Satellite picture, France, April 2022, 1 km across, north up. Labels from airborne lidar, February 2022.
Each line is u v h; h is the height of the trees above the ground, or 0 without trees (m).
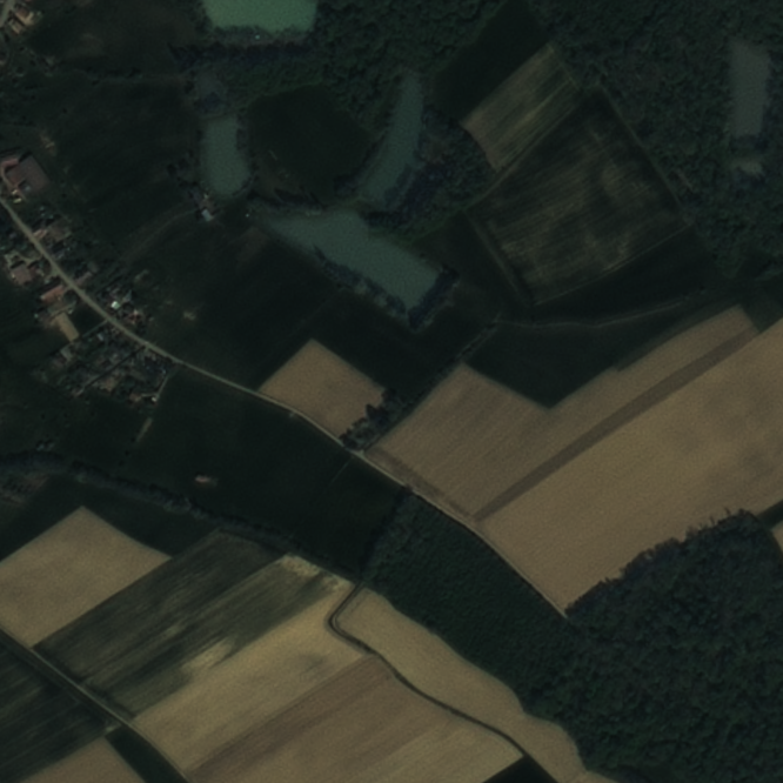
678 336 0
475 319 0
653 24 20
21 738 0
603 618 30
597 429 0
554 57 0
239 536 0
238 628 0
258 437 0
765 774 27
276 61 29
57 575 0
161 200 0
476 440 0
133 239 0
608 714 21
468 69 0
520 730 0
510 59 0
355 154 0
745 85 0
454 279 15
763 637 31
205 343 0
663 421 0
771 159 27
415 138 0
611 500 0
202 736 0
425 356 0
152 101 0
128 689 0
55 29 0
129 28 0
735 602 29
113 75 8
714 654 18
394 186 0
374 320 0
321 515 0
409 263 0
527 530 0
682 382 0
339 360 0
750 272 0
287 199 0
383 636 0
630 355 0
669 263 0
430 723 0
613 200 0
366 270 0
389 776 0
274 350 0
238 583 0
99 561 0
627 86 22
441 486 0
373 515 0
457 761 0
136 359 15
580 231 0
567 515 0
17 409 0
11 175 0
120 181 0
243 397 0
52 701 0
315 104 0
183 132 0
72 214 0
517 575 8
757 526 14
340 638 0
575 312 0
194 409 0
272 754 0
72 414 0
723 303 0
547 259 0
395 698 0
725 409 0
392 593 14
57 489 0
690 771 24
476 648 13
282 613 0
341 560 0
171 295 0
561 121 0
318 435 0
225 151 0
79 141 0
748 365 0
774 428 0
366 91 26
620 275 0
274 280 0
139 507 0
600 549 0
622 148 0
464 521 0
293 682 0
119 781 0
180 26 0
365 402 0
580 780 0
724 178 26
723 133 16
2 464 20
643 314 0
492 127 0
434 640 0
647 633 10
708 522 0
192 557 0
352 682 0
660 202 0
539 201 0
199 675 0
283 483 0
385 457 0
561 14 25
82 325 0
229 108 0
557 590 0
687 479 0
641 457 0
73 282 0
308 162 0
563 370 0
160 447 0
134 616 0
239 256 0
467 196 20
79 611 0
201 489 0
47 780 0
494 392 0
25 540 0
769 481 0
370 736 0
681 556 25
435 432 0
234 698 0
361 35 14
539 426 0
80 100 0
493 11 21
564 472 0
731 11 21
